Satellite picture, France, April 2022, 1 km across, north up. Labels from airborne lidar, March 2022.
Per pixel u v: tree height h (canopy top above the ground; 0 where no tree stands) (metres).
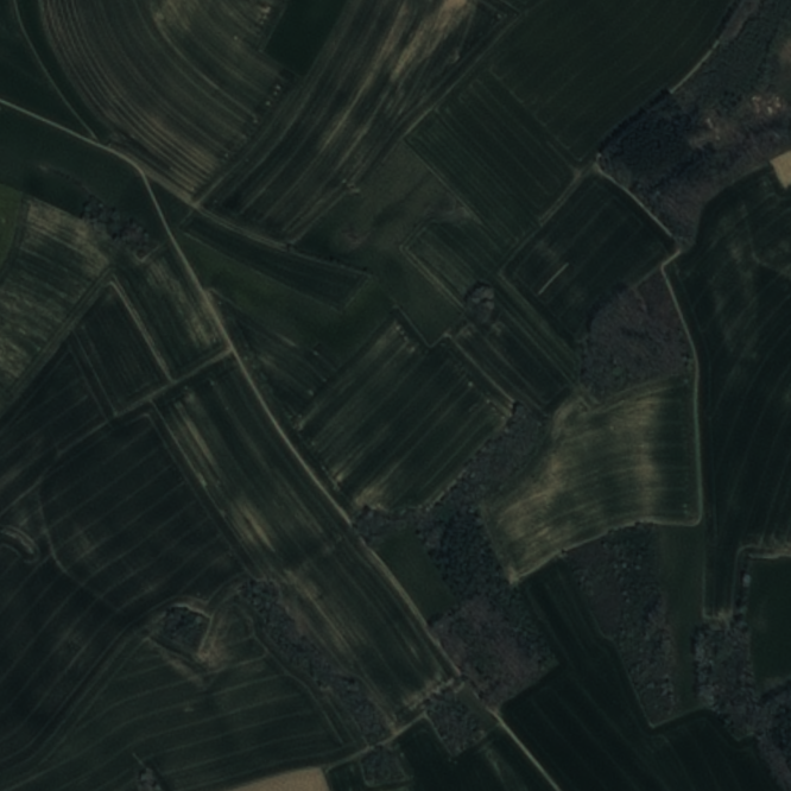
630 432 0
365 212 0
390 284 0
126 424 0
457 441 0
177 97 0
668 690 10
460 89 0
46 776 0
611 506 0
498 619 29
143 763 0
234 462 0
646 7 0
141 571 0
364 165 0
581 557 0
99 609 0
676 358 27
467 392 0
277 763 0
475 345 0
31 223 0
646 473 0
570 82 0
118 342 0
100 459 0
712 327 0
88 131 0
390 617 0
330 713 0
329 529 0
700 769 0
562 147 0
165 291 0
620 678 0
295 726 0
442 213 0
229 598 0
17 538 0
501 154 0
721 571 0
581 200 0
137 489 0
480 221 0
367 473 0
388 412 0
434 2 0
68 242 0
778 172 0
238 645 0
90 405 0
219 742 0
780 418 0
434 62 0
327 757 0
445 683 0
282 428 0
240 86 0
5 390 0
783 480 0
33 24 0
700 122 20
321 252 0
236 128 0
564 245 0
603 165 14
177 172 0
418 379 0
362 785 0
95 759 0
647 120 19
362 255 0
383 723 16
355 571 0
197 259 0
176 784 0
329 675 20
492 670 16
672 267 0
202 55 0
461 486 10
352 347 0
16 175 0
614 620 0
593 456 0
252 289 0
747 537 0
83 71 0
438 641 16
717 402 0
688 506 0
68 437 0
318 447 0
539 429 15
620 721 0
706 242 0
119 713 0
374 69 0
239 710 0
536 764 0
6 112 0
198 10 0
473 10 0
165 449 0
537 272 0
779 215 0
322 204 0
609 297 0
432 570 0
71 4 0
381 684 0
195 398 0
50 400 0
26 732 0
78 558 0
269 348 0
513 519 0
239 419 0
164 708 0
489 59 0
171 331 0
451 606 0
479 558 23
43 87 0
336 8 0
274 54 0
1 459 0
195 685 0
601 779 0
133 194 0
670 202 24
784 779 24
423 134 0
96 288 0
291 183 0
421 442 0
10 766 0
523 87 0
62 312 0
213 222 0
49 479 0
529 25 0
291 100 0
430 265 0
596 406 0
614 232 0
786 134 23
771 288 0
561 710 0
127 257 0
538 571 0
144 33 0
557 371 0
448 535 9
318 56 0
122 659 0
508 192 0
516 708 0
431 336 0
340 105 0
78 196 0
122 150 0
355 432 0
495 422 0
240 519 0
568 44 0
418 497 0
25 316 0
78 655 0
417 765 0
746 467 0
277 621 21
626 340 26
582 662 0
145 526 0
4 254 0
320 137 0
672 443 0
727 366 0
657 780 0
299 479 0
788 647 0
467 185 0
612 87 0
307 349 0
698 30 0
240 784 0
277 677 0
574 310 0
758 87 7
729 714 22
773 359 0
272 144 0
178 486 0
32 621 0
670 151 25
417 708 0
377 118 0
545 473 0
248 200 0
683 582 0
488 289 12
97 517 0
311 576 0
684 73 0
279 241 0
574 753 0
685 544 0
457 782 0
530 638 15
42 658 0
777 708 22
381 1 0
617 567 7
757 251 0
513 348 0
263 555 0
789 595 0
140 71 0
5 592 0
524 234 0
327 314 0
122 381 0
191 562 0
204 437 0
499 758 0
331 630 0
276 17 0
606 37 0
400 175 0
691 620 0
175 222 0
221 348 0
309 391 0
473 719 11
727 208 0
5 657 0
